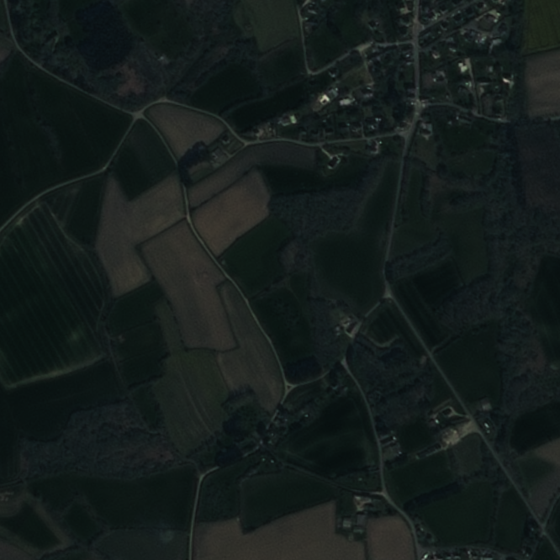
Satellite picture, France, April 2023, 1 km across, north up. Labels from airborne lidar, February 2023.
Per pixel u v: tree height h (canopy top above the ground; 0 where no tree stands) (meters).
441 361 0
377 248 0
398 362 17
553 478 0
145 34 0
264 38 0
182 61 8
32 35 13
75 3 0
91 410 6
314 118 11
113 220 0
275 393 0
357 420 0
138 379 0
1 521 0
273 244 0
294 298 0
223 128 0
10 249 0
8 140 0
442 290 0
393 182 0
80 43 0
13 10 11
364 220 0
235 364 0
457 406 0
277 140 0
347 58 0
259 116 0
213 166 0
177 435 0
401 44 0
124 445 9
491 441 7
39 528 0
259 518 0
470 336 0
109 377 0
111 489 0
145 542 0
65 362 0
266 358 0
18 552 0
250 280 0
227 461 20
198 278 0
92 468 8
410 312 0
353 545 0
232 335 0
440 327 0
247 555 0
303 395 0
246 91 0
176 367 0
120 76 8
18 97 0
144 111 0
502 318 9
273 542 0
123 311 0
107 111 0
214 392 0
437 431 17
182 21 0
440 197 0
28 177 0
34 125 0
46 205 0
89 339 0
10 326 0
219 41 0
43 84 0
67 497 0
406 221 9
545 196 16
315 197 13
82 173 0
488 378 0
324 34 0
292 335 0
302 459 0
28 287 0
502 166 10
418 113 0
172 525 0
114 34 17
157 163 0
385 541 0
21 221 0
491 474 11
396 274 7
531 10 0
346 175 0
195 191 0
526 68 0
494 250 13
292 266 8
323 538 0
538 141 17
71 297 0
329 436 0
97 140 0
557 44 0
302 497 0
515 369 9
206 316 0
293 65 0
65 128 0
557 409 0
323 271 0
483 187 14
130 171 0
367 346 9
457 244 0
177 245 0
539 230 16
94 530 0
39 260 0
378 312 0
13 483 0
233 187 0
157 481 0
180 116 0
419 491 0
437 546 7
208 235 0
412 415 14
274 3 0
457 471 11
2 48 0
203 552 0
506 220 14
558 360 0
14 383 0
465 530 0
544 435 0
